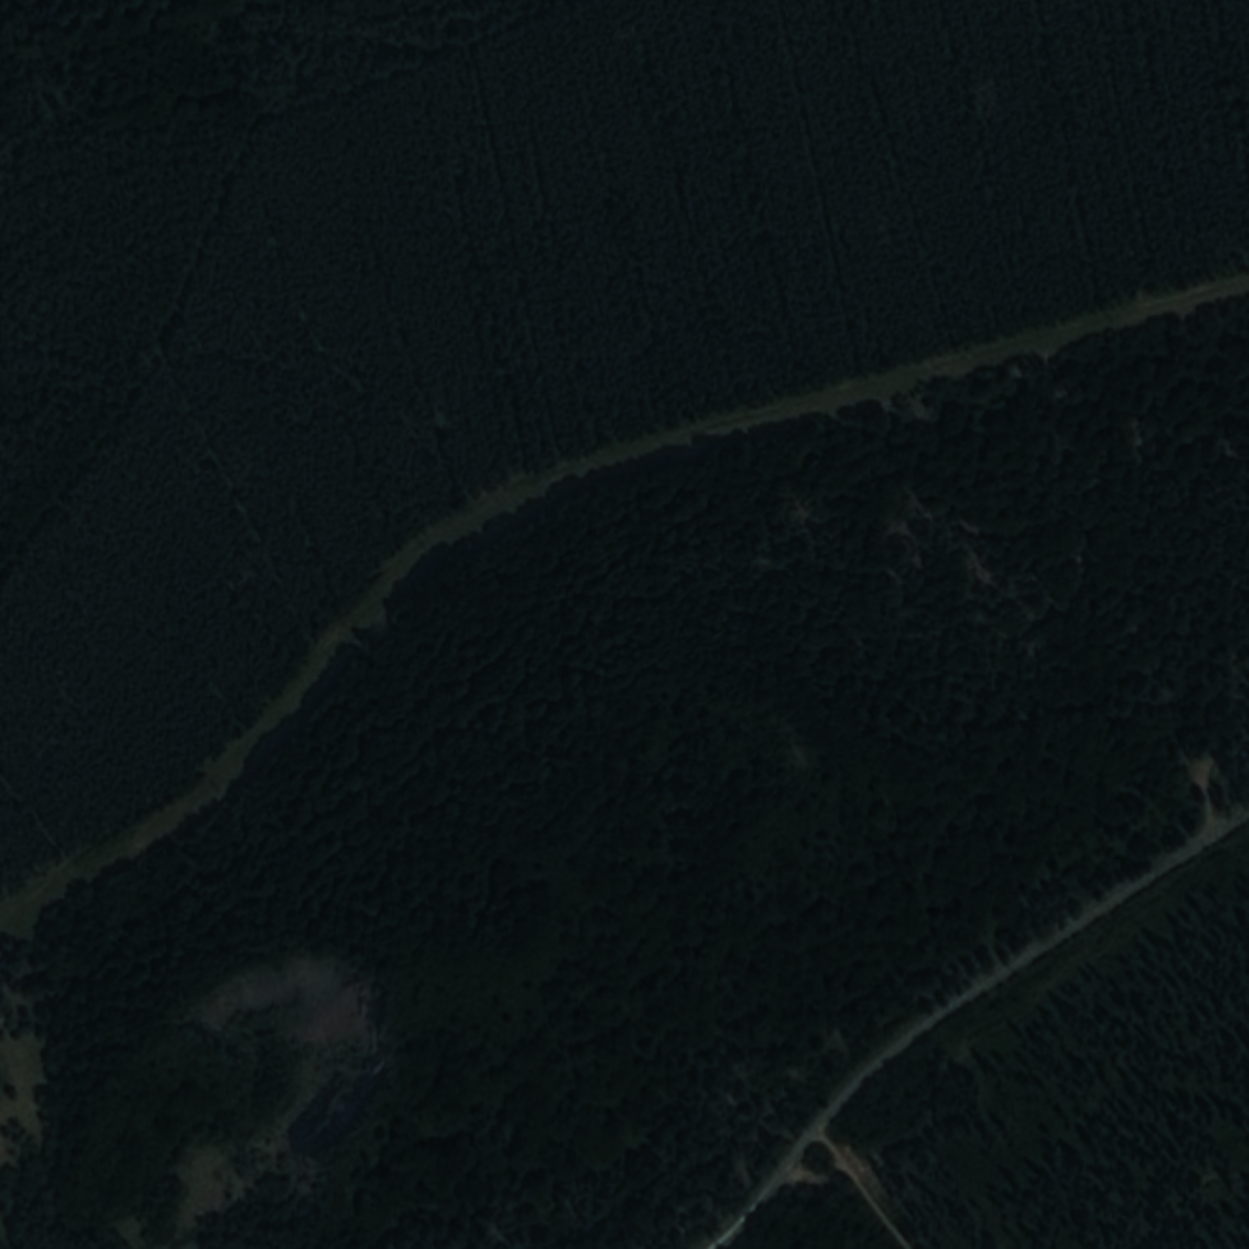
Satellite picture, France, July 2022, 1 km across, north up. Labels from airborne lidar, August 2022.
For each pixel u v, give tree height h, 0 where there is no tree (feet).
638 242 80
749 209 72
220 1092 48
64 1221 28
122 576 63
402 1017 25
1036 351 0
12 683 63
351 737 85
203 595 69
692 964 65
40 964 41
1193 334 55
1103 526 76
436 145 65
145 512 72
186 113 64
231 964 37
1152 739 45
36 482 60
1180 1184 85
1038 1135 0
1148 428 61
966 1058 0
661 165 79
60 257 50
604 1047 60
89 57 99
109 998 69
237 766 0
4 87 65
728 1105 56
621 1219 34
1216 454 51
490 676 73
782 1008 47
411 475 72
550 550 79
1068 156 81
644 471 65
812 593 67
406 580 0
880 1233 32
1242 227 76
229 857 41
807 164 73
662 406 64
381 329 62
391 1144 68
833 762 43
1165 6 76
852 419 50
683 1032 65
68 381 40
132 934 68
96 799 71
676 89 73
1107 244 78
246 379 77
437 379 74
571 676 78
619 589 68
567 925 44
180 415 68
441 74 78
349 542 67
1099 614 65
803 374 63
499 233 76
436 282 62
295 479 66
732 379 50
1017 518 73
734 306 82
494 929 61
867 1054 31
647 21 75
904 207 77
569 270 83
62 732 77
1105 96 67
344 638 0
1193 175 73
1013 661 62
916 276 72
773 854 27
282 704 0
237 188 74
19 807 66
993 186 61
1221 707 85
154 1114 38
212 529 64
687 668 55
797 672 55
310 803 45
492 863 25
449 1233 57
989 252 79
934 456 83
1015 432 72
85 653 74
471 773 78
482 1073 54
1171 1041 107
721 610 63
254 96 97
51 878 0
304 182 54
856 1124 37
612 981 62
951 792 60
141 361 64
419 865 49
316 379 63
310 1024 0
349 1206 62
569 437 66
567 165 86
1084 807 74
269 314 63
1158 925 0
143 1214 24
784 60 68
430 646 60
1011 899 73
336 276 56
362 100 78
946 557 86
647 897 65
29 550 66
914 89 61
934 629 60
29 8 71
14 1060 0
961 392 27
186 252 55
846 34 38
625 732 49
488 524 0
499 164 56
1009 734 74
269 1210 54
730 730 40
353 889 49
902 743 65
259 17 23
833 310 78
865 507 82
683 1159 50
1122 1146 81
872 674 39
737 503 69
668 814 51
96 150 72
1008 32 77
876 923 65
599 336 80
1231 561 63
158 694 62
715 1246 0
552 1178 33
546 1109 63
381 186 72
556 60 67
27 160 68
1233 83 65
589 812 38
